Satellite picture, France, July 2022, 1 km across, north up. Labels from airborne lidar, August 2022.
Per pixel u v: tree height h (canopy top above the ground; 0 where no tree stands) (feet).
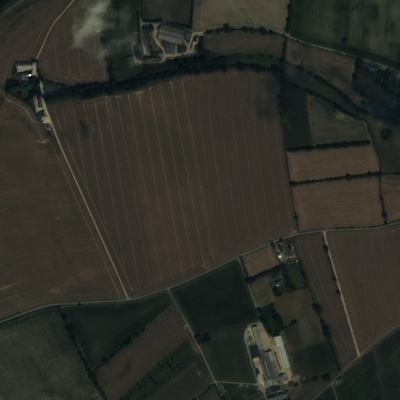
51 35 0
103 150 0
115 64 0
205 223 0
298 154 0
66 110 0
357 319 0
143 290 0
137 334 37
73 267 0
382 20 0
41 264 0
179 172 0
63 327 0
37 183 0
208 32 31
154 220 0
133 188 0
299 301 0
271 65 0
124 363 0
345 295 0
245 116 0
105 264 0
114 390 0
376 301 0
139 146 0
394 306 0
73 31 0
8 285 0
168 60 29
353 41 0
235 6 0
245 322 0
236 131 0
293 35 0
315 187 0
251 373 0
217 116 0
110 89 69
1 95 0
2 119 0
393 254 0
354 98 0
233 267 0
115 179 0
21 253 0
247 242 0
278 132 0
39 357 0
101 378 0
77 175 0
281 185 0
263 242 0
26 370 0
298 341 0
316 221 0
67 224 0
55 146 0
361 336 0
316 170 0
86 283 0
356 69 23
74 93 98
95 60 0
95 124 0
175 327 0
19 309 0
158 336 0
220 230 0
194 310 0
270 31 33
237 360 0
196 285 0
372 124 0
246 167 0
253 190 0
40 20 0
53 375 0
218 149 0
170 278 0
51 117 0
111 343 0
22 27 0
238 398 0
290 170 0
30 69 0
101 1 44
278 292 30
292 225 0
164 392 0
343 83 0
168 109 0
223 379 0
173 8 0
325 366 0
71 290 0
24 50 0
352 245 0
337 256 0
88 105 0
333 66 0
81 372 0
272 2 0
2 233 0
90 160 0
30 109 0
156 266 0
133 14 0
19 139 0
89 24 0
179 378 0
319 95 29
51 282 0
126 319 0
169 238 0
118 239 0
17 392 0
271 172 0
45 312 0
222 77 0
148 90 0
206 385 0
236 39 0
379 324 0
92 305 0
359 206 0
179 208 0
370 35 0
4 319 0
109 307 0
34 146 0
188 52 0
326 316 0
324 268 0
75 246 0
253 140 0
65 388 0
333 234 0
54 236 0
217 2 0
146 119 0
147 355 0
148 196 0
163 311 0
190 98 0
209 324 0
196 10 0
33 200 0
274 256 0
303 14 0
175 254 0
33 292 0
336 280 35
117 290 0
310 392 0
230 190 0
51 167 0
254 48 0
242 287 0
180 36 0
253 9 0
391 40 0
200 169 0
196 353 0
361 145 31
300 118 0
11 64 0
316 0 0
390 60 0
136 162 0
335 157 0
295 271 0
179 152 0
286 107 0
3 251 0
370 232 0
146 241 0
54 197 0
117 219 0
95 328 0
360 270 0
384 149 0
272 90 0
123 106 0
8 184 0
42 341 0
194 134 0
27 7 0
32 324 0
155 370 0
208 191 0
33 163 0
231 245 0
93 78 0
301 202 0
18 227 0
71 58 0
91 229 0
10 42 0
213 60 29
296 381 0
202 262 0
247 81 0
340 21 0
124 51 0
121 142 0
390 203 0
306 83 0
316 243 0
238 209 0
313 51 0
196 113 0
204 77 0
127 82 54
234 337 0
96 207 0
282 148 0
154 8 0
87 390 0
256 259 0
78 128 0
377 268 0
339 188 0
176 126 0
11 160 0
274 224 0
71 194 0
